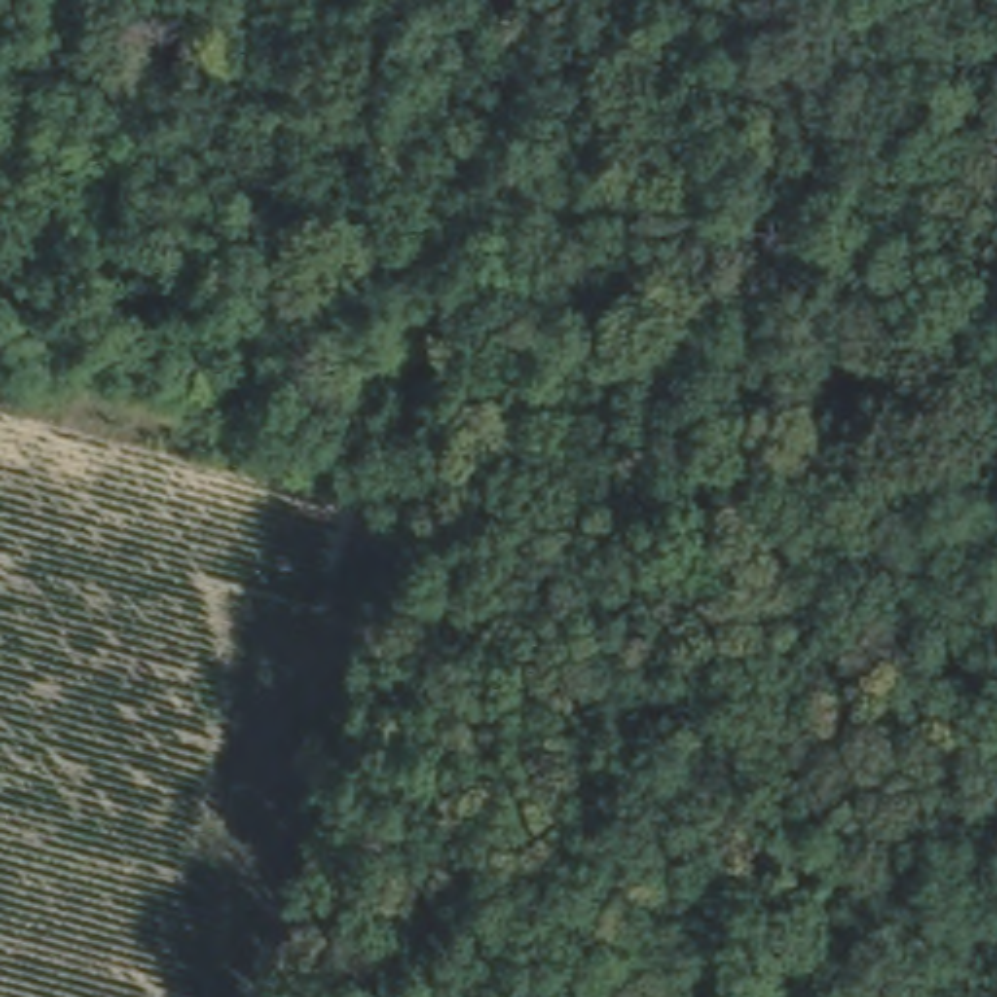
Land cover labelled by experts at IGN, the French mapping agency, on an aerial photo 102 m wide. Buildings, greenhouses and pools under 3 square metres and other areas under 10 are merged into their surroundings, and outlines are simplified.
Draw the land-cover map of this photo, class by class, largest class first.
<instances>
[{"label":"deciduous trees","instance_id":"1","mask_svg":"<svg viewBox=\"0 0 997 997\"><path fill-rule=\"evenodd\" d=\"M0 382H8V397L16 401L8 413L27 421H35L43 405L93 401L101 393V401L113 409H129L140 421H164L179 428L191 413L218 401V436L230 440L241 460L234 471L257 483H284L296 491L312 487V479L323 471L335 487V506H343L347 518L362 526L378 553V576L370 584V596L354 600V631L347 639V740L354 744V756L362 763L351 767L335 810L323 814L335 822V830L319 865H308L296 884L280 888L284 923L277 931L269 981L261 997H997V0H0Z\"/></svg>","mask_w":997,"mask_h":997},{"label":"vineyard","instance_id":"2","mask_svg":"<svg viewBox=\"0 0 997 997\"><path fill-rule=\"evenodd\" d=\"M16 401L8 397V382H0V997H261L269 981L277 931L284 923L280 888L296 884L308 865H319L335 830V822L323 814L335 810L351 767L362 763L354 756V744L347 740V639L354 631V600L370 596V584L378 576V553L362 526L347 518L343 506H335V487L323 471L312 479V487L296 491L284 483H257L234 471L241 460L230 440L218 436V401L191 413L179 428L164 421H140L129 409H113L101 401V393L93 401L43 405L35 421H27L8 413Z\"/></svg>","mask_w":997,"mask_h":997}]
</instances>
